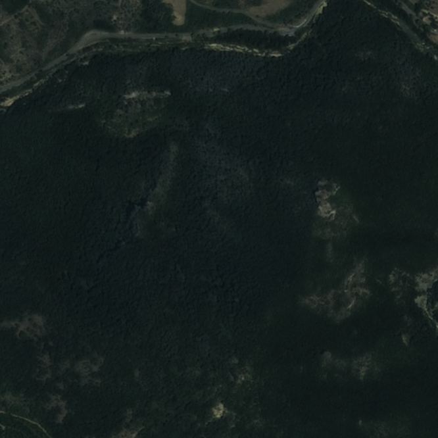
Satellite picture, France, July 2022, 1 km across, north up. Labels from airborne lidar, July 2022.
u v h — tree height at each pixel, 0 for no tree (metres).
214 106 11
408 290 7
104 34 0
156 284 11
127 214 9
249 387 6
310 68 9
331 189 6
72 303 16
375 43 10
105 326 17
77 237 13
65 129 16
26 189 12
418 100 11
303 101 12
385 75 9
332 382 11
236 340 8
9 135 11
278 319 8
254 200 6
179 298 6
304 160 9
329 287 6
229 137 10
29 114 10
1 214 15
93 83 8
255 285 8
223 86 16
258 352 9
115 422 9
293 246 7
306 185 6
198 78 12
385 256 6
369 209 7
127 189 7
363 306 7
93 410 13
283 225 8
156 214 11
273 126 10
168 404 9
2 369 9
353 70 13
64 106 11
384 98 9
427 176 8
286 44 17
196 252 8
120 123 7
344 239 6
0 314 11
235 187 7
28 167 15
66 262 20
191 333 10
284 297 7
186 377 6
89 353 9
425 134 11
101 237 10
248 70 19
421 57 14
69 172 19
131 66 18
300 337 10
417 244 8
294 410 11
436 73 14
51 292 12
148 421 6
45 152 18
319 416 12
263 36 8
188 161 9
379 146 7
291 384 13
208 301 8
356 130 9
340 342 8
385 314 10
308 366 9
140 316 11
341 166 9
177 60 20
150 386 7
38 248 16
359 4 17
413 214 8
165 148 10
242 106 10
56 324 8
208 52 13
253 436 13
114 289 17
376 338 11
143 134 8
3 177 13
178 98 11
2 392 7
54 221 14
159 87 18
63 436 11
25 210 16
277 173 7
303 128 11
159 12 8
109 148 15
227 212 9
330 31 13
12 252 14
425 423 9
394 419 8
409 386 10
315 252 7
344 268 7
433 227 6
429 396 9
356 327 9
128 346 11
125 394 10
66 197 17
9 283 8
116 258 8
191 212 12
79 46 0
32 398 8
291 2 0
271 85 8
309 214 6
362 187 11
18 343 12
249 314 10
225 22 8
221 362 10
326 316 7
